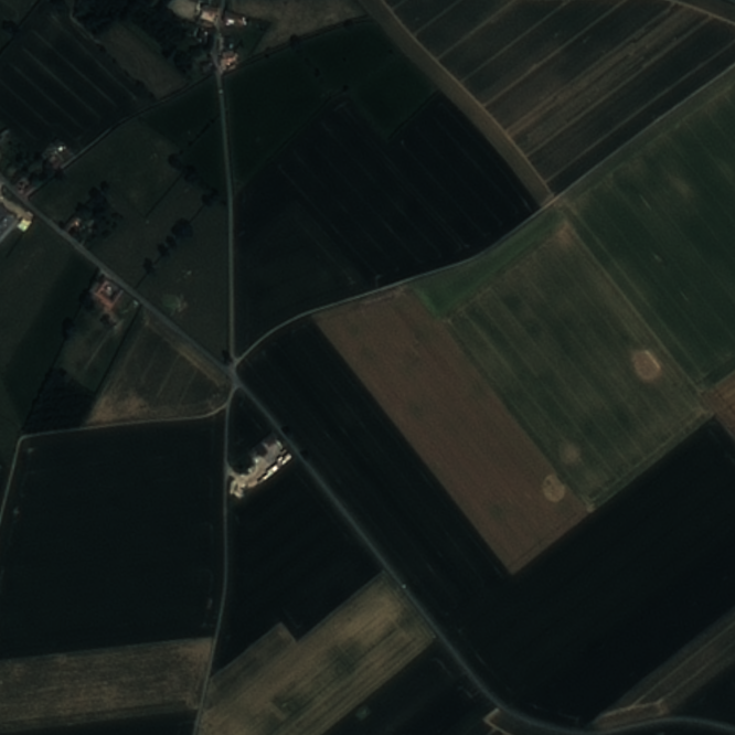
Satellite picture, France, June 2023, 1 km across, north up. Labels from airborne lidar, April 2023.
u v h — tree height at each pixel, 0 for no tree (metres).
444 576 0
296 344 0
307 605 0
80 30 0
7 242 0
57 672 0
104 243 0
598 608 0
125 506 0
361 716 0
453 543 0
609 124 0
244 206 0
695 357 0
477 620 0
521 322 0
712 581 0
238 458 0
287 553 0
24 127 0
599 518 0
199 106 0
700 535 0
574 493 0
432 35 0
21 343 0
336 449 0
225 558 0
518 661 0
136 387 0
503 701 0
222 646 0
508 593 0
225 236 0
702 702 0
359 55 0
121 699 0
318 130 0
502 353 0
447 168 0
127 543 0
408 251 0
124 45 0
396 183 0
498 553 0
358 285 0
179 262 0
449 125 0
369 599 0
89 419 0
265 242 0
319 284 0
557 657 0
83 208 13
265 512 0
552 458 0
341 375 0
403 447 0
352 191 0
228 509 0
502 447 0
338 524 0
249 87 0
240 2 0
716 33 0
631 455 0
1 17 0
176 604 0
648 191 0
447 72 0
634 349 0
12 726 0
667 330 0
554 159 0
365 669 0
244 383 0
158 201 0
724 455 0
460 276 0
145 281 0
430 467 0
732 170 0
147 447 0
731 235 0
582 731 0
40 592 0
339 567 0
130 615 0
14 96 0
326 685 0
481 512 0
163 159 0
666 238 0
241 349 0
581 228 0
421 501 0
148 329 0
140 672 0
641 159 0
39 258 0
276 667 0
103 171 0
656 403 0
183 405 0
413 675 0
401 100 0
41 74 0
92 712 0
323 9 0
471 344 0
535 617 0
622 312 0
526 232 0
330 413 0
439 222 0
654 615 0
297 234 0
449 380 0
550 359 0
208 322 0
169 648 0
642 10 0
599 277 0
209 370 0
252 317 0
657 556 0
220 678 0
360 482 0
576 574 0
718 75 0
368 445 0
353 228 0
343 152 0
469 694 0
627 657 0
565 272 0
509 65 0
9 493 0
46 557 0
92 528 0
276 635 0
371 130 0
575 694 0
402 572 0
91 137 0
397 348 0
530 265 0
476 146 0
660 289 0
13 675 0
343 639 0
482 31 0
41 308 0
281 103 0
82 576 0
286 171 0
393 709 0
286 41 0
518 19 0
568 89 0
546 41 0
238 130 0
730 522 0
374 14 0
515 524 0
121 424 0
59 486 0
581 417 0
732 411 0
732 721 0
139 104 0
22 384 0
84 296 10
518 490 0
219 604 0
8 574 0
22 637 0
